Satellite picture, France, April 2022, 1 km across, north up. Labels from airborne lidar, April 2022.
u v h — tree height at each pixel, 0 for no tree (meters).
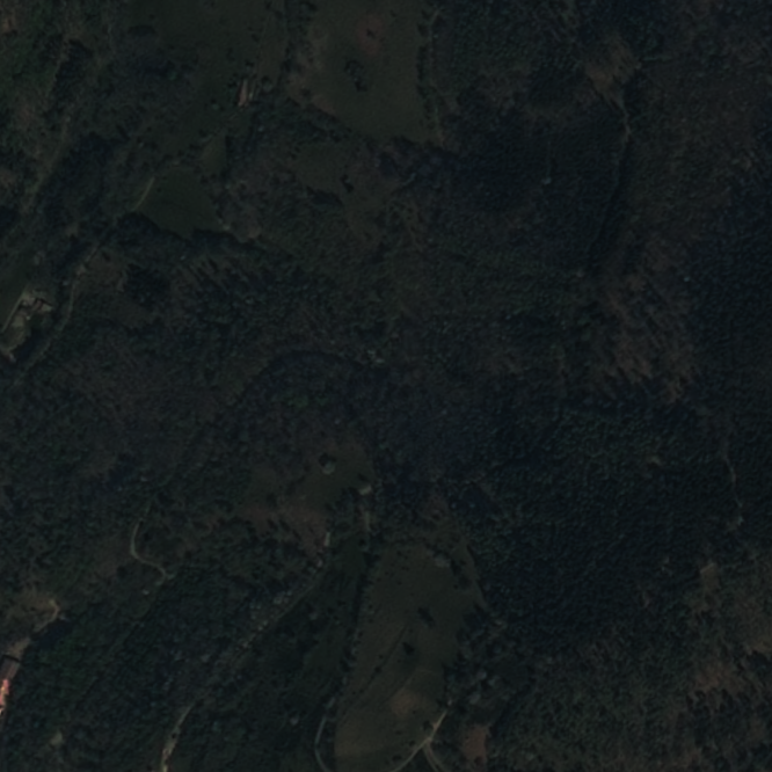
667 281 8
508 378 21
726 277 26
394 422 31
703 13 29
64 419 24
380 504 19
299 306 19
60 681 20
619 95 18
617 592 26
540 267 23
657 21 27
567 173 22
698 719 27
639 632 27
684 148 11
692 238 10
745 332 22
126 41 23
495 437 30
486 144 22
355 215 0
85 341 7
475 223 24
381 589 0
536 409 30
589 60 15
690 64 13
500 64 21
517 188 25
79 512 12
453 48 18
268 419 18
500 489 27
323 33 0
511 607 25
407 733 0
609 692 24
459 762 19
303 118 9
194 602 9
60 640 17
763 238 25
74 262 25
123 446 19
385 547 11
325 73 0
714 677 6
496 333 23
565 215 23
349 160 0
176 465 14
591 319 11
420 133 0
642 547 27
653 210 11
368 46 0
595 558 26
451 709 14
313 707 0
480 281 23
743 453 23
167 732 9
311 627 0
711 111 10
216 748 9
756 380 23
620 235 20
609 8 16
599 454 22
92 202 14
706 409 28
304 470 12
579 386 16
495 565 25
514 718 17
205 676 15
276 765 0
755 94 10
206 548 17
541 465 35
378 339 22
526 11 15
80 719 10
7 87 20
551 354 23
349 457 0
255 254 19
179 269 22
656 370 8
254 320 20
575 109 19
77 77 29
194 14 0
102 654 13
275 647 0
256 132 12
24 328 0
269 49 0
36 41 19
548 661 14
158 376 21
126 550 0
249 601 9
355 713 0
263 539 7
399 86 0
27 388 7
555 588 27
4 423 15
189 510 6
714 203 22
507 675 0
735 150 9
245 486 7
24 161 26
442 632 0
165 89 20
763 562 27
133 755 7
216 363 19
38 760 15
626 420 22
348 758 0
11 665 0
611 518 27
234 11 0
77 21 19
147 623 8
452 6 15
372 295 21
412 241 16
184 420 18
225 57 0
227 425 15
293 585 11
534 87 17
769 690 32
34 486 12
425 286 20
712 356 27
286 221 20
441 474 26
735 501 25
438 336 22
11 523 17
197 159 9
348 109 0
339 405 23
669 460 23
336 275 20
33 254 0
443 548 10
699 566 21
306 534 0
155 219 0
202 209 0
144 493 10
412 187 11
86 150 28
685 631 28
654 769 24
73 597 16
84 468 17
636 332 9
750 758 27
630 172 17
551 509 29
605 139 22
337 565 0
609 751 28
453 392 33
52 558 10
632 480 26
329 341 25
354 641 7
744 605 26
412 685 0
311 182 0
